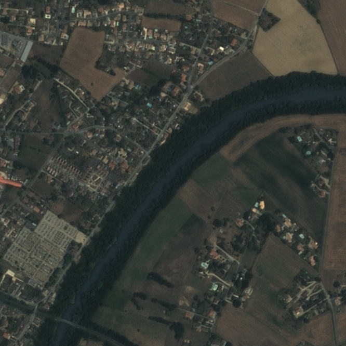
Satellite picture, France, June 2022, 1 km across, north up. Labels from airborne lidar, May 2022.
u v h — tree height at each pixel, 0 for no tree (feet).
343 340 0
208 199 0
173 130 38
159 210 39
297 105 46
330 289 0
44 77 30
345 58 0
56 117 0
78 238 0
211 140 0
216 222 52
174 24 0
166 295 0
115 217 43
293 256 0
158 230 0
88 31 0
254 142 0
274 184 0
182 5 0
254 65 0
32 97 0
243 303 21
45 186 0
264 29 29
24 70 35
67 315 0
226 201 0
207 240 39
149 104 0
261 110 39
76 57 0
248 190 0
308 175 0
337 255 0
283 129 32
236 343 0
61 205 0
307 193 0
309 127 30
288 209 0
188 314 0
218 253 45
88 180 0
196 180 0
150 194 0
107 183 0
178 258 0
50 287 49
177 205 0
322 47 0
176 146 26
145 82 0
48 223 0
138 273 0
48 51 0
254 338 0
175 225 0
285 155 0
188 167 46
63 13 0
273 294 0
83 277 32
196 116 41
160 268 0
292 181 0
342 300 32
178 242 0
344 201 0
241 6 0
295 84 66
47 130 0
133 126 0
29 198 28
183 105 0
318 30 0
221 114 55
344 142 0
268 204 0
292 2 0
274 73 0
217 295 50
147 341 0
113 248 0
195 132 30
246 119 56
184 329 35
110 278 71
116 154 22
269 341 0
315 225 0
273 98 0
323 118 0
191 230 0
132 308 0
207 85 0
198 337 0
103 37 0
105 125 26
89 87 0
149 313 0
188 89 38
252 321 0
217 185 0
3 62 0
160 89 25
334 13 0
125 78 0
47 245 0
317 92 0
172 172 0
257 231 28
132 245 68
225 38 24
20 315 0
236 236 26
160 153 41
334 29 0
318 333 0
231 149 0
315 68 0
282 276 0
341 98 47
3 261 0
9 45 0
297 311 0
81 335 57
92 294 86
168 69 0
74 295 78
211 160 0
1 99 0
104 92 0
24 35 22
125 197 29
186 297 0
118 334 48
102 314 0
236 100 45
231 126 111
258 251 21
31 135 0
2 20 37
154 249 0
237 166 0
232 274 0
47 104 0
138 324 0
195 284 0
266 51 0
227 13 0
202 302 31
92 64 0
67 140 33
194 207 0
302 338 0
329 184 0
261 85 40
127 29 0
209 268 19
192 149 0
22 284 0
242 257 0
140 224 32
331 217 0
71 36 0
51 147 22
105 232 58
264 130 0
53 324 48
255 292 0
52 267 0
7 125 26
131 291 0
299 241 0
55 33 0
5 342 30
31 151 0
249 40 18
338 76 41
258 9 0
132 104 18
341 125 0
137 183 41
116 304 0
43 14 22
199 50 0
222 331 0
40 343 31
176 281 0
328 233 0
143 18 0
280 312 0
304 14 0
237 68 0
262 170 0
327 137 0
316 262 25
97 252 80
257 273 0
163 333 0
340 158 0
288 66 0
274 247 0
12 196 0
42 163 0
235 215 0
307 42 0
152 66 0
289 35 0
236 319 0
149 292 0
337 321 0
